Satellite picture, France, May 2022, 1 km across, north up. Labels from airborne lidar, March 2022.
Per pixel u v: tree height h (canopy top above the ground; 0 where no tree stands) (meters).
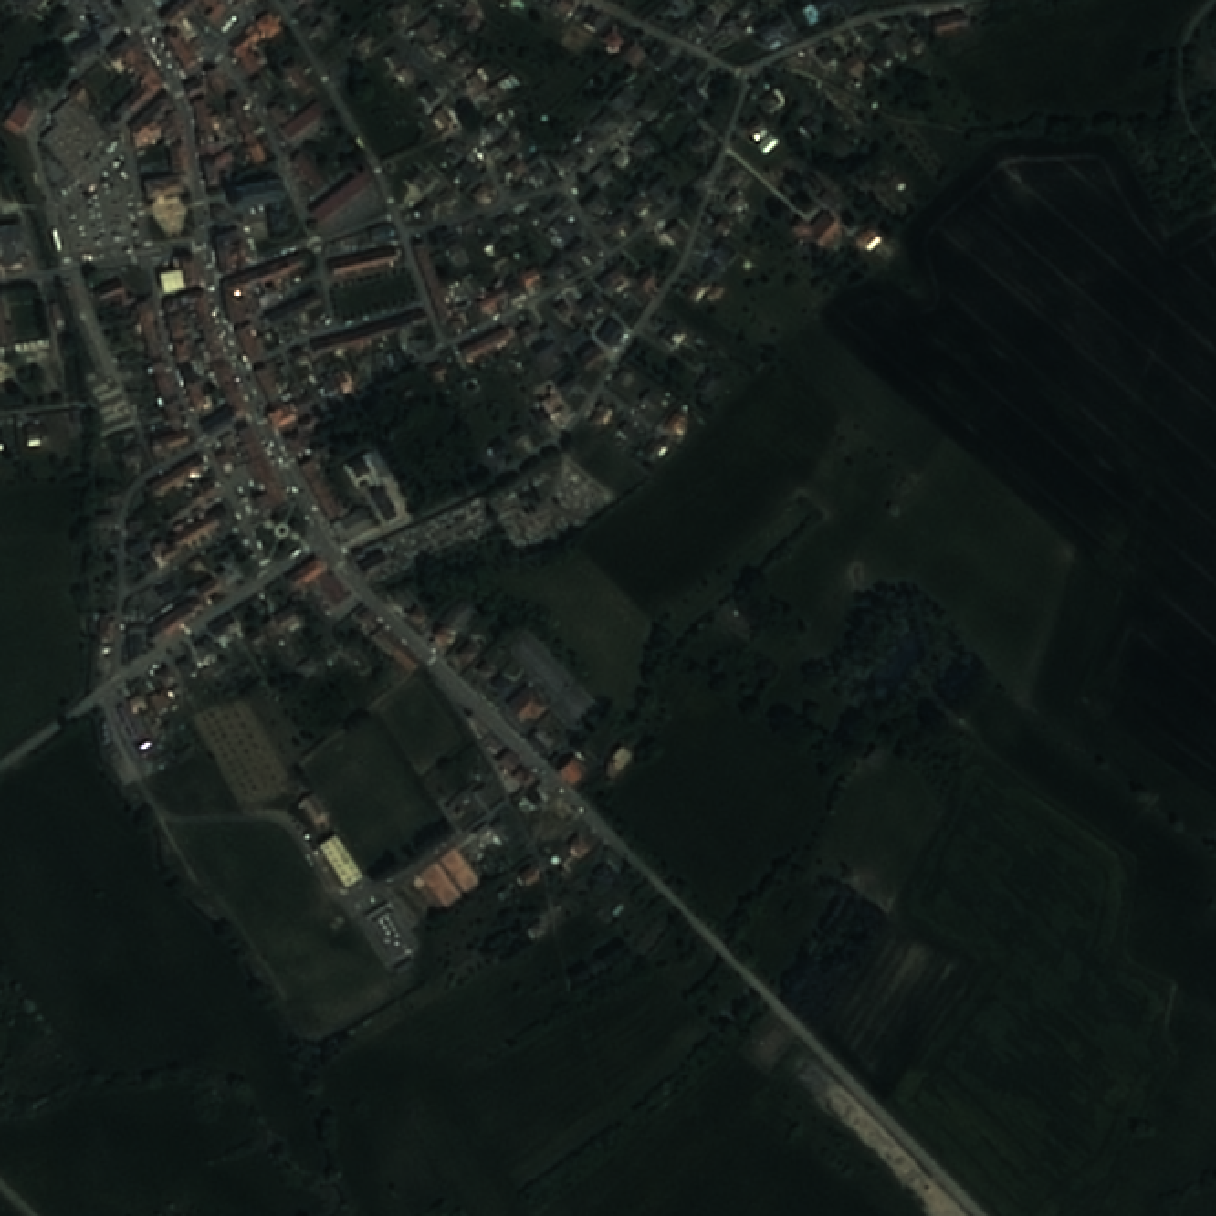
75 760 0
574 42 0
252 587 0
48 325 9
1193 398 0
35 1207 0
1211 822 0
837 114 0
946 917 0
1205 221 0
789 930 0
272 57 8
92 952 0
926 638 16
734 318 0
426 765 0
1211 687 0
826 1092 0
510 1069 0
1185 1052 0
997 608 0
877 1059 0
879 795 0
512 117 0
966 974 0
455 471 0
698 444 0
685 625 0
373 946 0
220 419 0
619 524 0
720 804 0
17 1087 0
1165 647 0
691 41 0
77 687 0
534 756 0
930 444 0
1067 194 0
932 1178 0
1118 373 0
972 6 0
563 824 0
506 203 0
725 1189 0
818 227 0
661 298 0
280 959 0
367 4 6
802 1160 0
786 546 7
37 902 0
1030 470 0
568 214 0
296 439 0
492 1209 0
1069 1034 0
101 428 11
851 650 16
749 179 0
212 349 0
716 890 0
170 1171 0
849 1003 0
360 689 0
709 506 0
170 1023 0
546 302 0
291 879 0
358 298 0
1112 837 0
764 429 0
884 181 14
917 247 0
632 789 0
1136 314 0
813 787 0
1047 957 0
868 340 0
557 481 0
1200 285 0
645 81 0
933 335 0
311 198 0
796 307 0
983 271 0
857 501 0
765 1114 0
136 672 0
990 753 0
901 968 0
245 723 0
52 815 0
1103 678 0
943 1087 0
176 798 0
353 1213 0
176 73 0
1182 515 0
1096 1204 0
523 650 0
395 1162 0
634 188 8
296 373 0
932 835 0
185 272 0
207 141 0
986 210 0
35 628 0
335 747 0
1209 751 0
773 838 0
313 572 0
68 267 0
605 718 19
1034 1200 0
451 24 6
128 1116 0
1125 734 0
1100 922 0
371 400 14
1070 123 10
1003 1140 0
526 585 0
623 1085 0
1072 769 0
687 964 8
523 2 0
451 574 20
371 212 0
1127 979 0
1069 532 0
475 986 0
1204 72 0
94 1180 0
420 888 0
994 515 0
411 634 0
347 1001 0
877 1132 0
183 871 0
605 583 0
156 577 0
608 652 0
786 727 21
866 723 19
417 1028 0
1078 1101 0
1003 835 0
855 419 0
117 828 0
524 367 0
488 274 0
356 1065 0
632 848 12
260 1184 0
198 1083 6
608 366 0
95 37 0
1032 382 0
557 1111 0
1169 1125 0
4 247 0
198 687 0
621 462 0
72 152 0
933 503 0
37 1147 0
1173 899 0
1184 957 0
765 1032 0
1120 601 0
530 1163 0
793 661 0
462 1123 0
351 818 0
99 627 0
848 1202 0
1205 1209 0
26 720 0
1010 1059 0
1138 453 0
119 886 0
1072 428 0
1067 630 0
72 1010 0
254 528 0
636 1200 0
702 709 0
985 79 0
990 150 0
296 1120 0
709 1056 7
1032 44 0
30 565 0
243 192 0
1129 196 0
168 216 0
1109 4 0
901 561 0
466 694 0
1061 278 0
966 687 34
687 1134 0
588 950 0
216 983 0
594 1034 0
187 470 0
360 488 0
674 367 12
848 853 0
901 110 6
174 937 0
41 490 0
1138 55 0
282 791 0
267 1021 0
